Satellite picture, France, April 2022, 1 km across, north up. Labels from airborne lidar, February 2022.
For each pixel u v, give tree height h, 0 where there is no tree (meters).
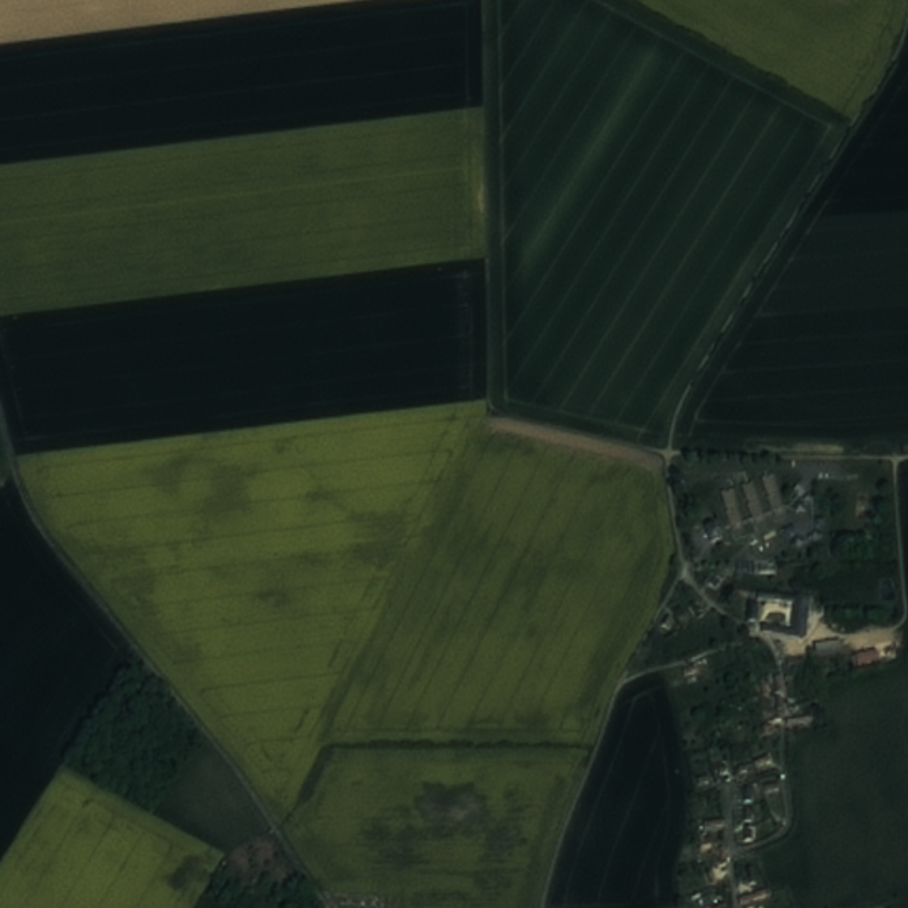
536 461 0
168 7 0
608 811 0
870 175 0
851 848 0
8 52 0
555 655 0
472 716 0
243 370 0
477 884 0
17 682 0
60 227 0
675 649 0
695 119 0
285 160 0
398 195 0
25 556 0
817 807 0
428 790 0
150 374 0
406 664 0
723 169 0
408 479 0
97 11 0
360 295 0
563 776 0
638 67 0
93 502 0
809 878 0
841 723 0
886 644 0
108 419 0
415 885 0
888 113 0
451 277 0
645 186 0
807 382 0
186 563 0
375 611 0
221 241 0
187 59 0
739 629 13
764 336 0
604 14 0
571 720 0
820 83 0
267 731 0
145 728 21
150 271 0
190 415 0
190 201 0
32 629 0
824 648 0
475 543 0
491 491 0
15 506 0
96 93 0
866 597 0
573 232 0
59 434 0
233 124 0
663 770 0
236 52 0
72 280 0
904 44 0
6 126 0
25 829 0
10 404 0
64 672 0
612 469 0
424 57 0
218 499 0
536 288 0
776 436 0
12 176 0
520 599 0
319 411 0
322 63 0
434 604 0
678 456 0
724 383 0
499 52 0
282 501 0
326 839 0
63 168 0
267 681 0
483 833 0
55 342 0
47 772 0
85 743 18
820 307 0
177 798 0
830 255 0
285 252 0
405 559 0
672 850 0
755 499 0
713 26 0
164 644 0
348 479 0
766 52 0
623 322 0
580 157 0
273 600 0
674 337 0
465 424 0
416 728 0
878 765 0
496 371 0
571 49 0
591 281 0
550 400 0
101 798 0
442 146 0
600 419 0
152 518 0
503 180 0
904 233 0
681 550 0
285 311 0
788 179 0
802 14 0
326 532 0
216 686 0
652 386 0
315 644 0
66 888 0
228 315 0
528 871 0
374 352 0
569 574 0
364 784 0
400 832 0
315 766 0
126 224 0
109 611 0
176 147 0
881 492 12
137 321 0
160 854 0
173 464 0
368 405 0
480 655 0
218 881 7
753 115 0
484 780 0
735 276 0
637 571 0
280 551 0
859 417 0
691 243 0
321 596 0
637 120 0
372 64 0
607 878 0
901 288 0
